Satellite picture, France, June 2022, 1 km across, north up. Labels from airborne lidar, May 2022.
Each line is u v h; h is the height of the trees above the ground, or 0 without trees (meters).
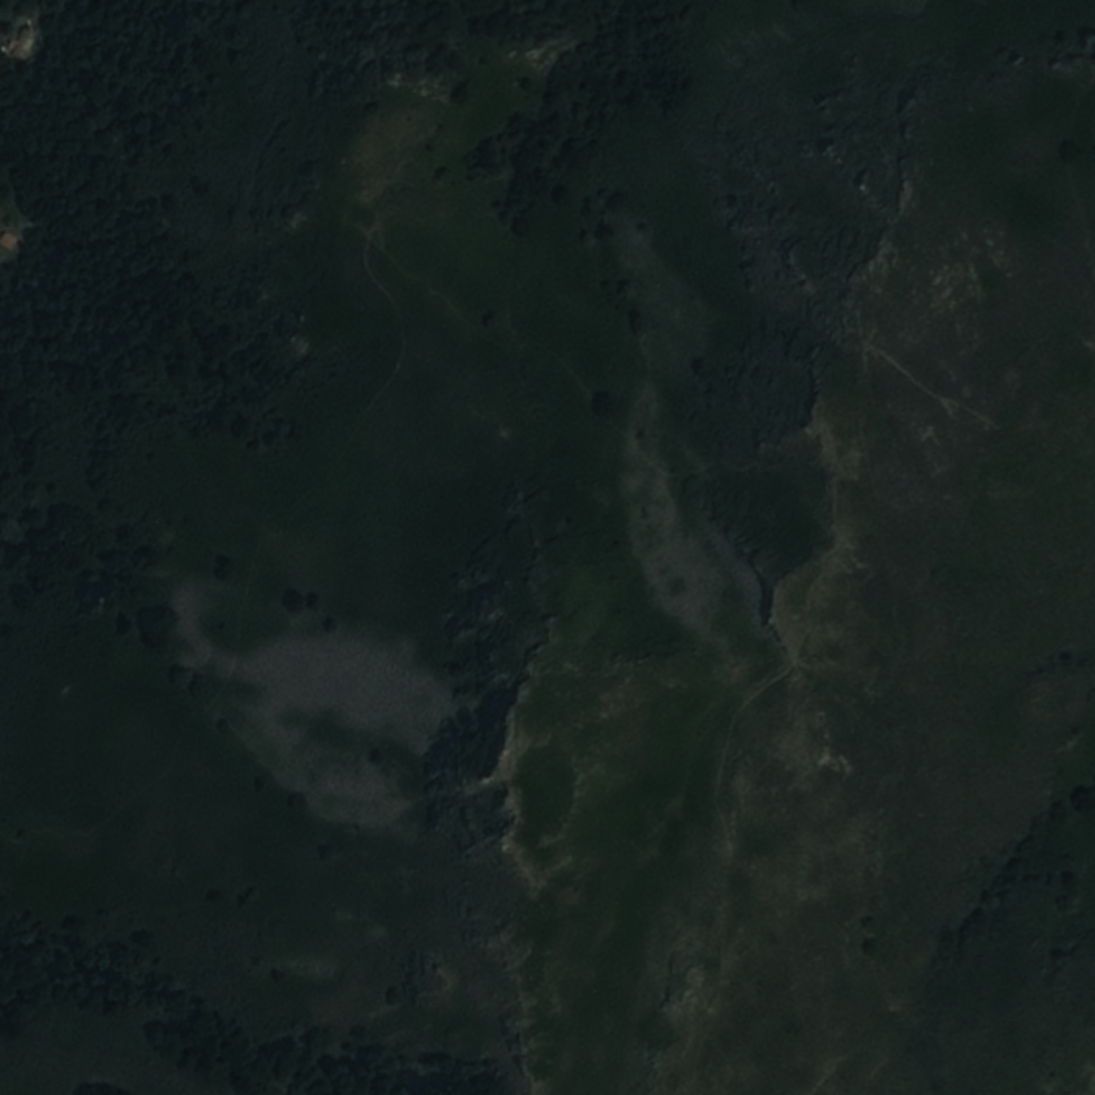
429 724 0
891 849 0
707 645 0
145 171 13
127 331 13
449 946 0
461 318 0
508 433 0
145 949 18
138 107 16
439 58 13
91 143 21
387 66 10
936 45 0
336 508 0
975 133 0
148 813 0
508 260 0
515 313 0
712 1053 0
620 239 0
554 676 0
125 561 22
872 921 10
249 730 0
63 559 31
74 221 30
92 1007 13
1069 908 12
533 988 0
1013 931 0
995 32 0
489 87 0
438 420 0
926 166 0
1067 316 0
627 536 0
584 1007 0
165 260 16
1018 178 0
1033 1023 0
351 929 0
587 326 0
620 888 0
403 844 0
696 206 0
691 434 0
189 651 0
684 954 0
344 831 0
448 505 0
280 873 0
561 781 0
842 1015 0
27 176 17
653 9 14
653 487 0
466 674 11
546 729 0
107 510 15
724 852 0
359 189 0
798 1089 0
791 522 0
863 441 0
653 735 0
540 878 0
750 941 0
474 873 0
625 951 0
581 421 0
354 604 0
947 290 0
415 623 0
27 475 14
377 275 0
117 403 19
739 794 0
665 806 0
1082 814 8
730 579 0
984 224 0
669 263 0
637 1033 0
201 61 19
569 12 21
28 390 12
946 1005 0
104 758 0
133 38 15
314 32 12
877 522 0
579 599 0
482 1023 0
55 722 0
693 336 0
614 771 0
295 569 0
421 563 0
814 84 0
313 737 0
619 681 0
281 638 0
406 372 0
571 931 0
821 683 0
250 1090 10
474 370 0
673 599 0
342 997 0
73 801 0
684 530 0
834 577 0
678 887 0
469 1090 32
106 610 9
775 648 0
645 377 0
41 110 23
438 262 0
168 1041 27
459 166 0
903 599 0
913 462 0
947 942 18
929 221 0
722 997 0
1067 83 0
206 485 0
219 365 9
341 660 0
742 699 0
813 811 0
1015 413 0
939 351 0
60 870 0
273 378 11
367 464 0
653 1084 0
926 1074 0
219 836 0
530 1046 0
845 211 0
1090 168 0
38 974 29
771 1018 0
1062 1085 0
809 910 0
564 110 19
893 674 0
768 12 0
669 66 11
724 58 0
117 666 0
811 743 0
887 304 0
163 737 0
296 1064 30
